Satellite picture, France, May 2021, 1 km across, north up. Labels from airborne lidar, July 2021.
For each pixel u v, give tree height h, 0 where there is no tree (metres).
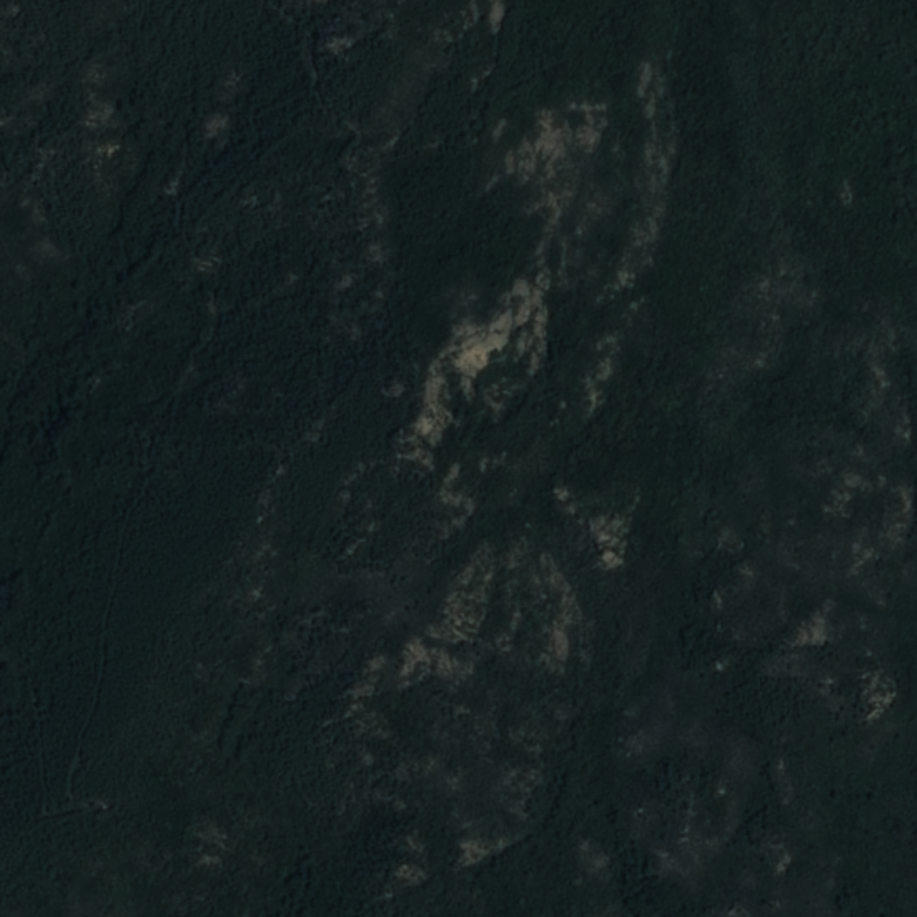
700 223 10
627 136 6
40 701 7
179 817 6
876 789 10
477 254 7
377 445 10
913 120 8
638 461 5
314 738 8
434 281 6
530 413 14
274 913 10
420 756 7
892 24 8
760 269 7
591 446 12
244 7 16
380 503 9
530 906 7
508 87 14
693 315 7
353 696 9
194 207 12
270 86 13
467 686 7
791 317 6
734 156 10
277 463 9
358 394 10
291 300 11
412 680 7
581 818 13
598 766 10
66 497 6
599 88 5
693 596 7
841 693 12
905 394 7
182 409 6
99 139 8
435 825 12
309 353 12
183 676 12
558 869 10
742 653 12
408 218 16
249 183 9
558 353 22
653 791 6
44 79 16
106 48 17
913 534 12
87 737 12
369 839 12
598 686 10
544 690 6
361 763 13
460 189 11
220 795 7
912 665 9
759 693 13
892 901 7
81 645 11
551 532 6
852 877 8
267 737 12
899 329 6
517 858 16
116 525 11
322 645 9
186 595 10
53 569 7
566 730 6
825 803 5
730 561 6
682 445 9
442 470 6
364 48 13
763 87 9
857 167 8
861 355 6
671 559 7
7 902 8
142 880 7
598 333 7
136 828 6
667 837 8
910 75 11
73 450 8
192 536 11
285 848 13
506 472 6
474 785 7
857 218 7
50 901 6
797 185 7
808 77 12
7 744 10
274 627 12
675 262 7
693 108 12
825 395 6
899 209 9
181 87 14
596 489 7
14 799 9
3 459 18
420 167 6
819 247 8
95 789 10
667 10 7
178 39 13
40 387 24
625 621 7
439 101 11
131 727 9
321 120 6
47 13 13
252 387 7
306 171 8
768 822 11
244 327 12
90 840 8
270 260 10
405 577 10
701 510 7
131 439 11
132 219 20
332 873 7
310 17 6
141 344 6
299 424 9
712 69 9
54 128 10
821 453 7
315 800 13
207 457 12
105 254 21
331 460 12
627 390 9
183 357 8
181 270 16
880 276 10
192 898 7
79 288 18
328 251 8
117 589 12
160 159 20
